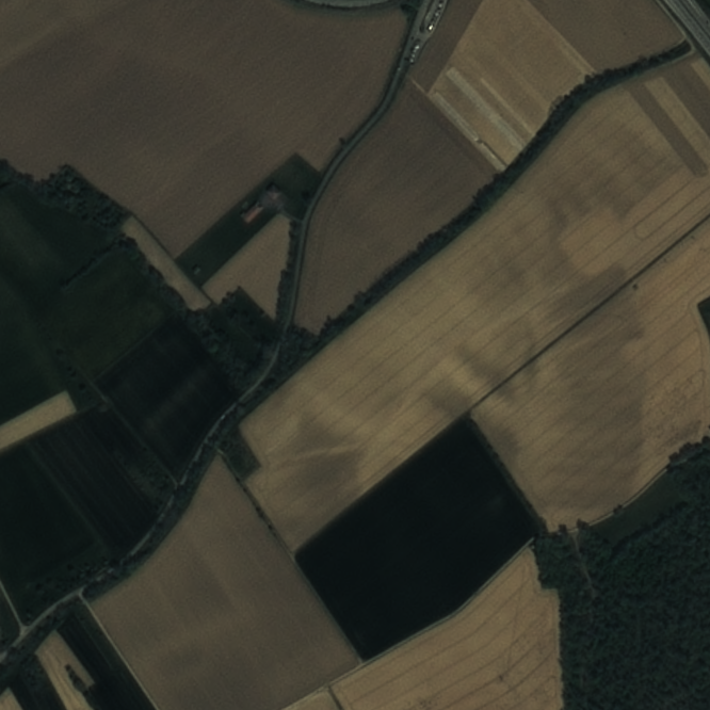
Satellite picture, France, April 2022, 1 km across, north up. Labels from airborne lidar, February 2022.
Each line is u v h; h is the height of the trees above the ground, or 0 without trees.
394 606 0
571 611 10
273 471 0
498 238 0
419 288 0
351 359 0
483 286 0
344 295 0
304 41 0
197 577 0
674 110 0
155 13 0
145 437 0
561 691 0
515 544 0
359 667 0
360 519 0
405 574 0
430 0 0
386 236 0
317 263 0
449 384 0
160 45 0
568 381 0
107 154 0
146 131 0
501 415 0
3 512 0
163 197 0
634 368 0
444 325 0
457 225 14
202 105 0
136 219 0
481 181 0
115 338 0
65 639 0
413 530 0
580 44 0
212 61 0
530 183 0
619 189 0
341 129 0
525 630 0
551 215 0
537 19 0
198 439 0
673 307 0
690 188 0
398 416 0
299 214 0
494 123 0
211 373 0
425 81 0
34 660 8
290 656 0
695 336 0
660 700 17
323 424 0
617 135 0
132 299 0
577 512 0
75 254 0
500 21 0
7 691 0
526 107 0
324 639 0
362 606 0
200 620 0
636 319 0
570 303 0
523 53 0
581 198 0
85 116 0
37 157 0
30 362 0
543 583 14
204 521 0
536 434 0
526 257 0
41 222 0
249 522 0
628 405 0
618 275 0
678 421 0
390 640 0
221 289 0
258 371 19
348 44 0
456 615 0
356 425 0
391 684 0
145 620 0
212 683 0
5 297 0
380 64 0
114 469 0
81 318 0
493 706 0
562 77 0
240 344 0
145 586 0
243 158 0
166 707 0
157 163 0
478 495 0
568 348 0
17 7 0
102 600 0
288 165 0
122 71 0
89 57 0
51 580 8
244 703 0
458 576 0
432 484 0
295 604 0
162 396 0
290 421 0
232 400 0
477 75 0
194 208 0
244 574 0
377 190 0
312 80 0
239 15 0
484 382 0
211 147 0
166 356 0
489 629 0
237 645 0
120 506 0
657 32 0
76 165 0
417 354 0
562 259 0
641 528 0
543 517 0
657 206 0
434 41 0
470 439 0
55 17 0
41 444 0
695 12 0
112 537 0
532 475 0
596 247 0
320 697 0
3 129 0
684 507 10
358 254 0
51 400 0
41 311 0
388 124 0
